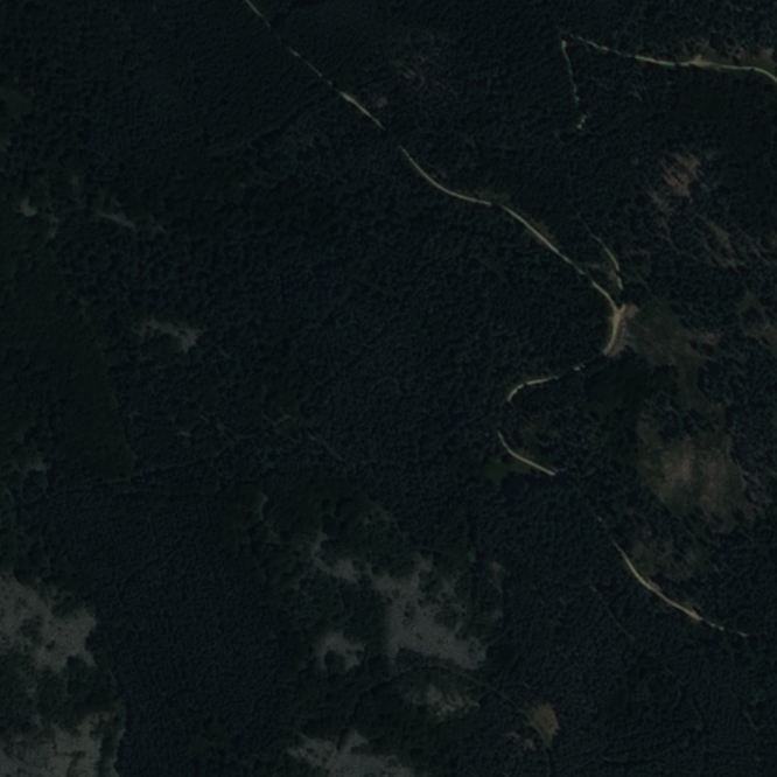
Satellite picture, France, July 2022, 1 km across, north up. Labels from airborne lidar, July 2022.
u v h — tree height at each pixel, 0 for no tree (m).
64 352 25
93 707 13
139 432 18
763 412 29
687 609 0
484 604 11
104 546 20
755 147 19
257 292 32
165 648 20
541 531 39
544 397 13
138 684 20
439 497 25
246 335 31
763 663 8
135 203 24
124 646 18
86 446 24
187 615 19
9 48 15
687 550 28
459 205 16
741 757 24
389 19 28
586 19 29
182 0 28
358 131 24
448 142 26
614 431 9
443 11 29
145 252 34
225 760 14
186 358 12
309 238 41
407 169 18
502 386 30
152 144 27
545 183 16
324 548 9
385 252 20
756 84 17
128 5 27
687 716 17
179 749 24
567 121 21
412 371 18
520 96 27
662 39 25
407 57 20
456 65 27
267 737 26
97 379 24
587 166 23
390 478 22
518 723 23
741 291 29
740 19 27
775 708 21
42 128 8
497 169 18
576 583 27
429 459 7
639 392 25
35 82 6
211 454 18
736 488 0
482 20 28
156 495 20
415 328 17
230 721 26
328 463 18
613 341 0
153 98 25
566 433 26
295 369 17
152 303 24
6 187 21
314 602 6
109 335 10
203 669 24
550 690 25
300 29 28
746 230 26
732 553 33
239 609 24
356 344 21
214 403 20
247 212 22
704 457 0
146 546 18
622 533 28
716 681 18
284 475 20
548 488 38
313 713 9
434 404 20
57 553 21
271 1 25
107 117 22
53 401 22
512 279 26
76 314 19
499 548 23
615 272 0
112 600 17
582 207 20
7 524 7
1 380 24
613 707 23
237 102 29
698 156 31
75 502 21
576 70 15
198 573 19
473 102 33
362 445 21
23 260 16
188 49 24
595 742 21
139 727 17
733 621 29
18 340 26
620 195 25
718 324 31
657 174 34
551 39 32
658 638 23
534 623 26
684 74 17
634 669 22
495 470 0
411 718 10
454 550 7
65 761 0
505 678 19
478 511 26
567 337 23
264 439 18
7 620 0
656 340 0
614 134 23
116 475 26
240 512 17
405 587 0
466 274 24
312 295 39
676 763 18
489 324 24
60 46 22
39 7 20
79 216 18
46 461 7
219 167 17
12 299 22
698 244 27
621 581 30
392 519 6
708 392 34
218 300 35
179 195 19
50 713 7
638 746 22
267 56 28
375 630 10
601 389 26
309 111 26
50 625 0
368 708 10
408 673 6
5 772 0
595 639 28
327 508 21
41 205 14
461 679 7
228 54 26
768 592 28
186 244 19
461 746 16
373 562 6
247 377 15
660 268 25
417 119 19
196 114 28
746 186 22
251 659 23
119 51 19
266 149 34
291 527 16
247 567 23
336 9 25
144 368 18
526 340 28
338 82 18
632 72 22
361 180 41
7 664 6
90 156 28
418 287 18
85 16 19
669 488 0
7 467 14
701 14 25
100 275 27
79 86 14
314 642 15
